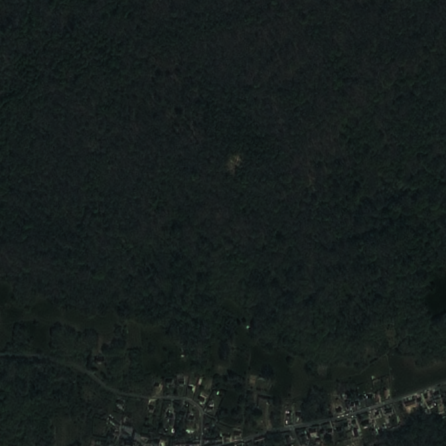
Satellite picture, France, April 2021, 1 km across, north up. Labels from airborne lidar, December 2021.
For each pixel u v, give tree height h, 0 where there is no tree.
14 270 25
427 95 24
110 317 0
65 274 20
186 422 11
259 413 19
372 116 26
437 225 26
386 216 27
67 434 0
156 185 23
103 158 24
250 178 15
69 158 17
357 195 31
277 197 19
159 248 25
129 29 17
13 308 0
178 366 0
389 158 31
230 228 30
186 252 27
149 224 26
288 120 22
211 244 27
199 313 17
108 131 20
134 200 14
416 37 19
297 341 21
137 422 0
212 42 19
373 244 37
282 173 14
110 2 22
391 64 21
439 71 24
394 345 0
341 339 16
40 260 22
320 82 21
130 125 19
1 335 0
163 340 0
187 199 28
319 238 28
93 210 11
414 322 17
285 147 19
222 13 15
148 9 19
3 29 14
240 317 0
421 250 26
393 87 29
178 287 33
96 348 19
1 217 21
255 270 26
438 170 28
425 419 21
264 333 24
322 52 20
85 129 21
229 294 16
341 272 29
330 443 22
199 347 25
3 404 30
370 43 20
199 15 17
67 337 20
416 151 21
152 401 0
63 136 10
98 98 24
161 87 17
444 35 19
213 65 20
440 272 26
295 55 23
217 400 0
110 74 21
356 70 15
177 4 13
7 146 17
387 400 0
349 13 22
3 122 20
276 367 0
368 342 11
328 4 25
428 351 12
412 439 24
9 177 14
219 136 20
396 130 27
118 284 20
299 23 15
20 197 16
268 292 32
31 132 18
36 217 20
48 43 19
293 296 30
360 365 11
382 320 20
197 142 20
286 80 17
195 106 20
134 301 25
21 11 26
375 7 20
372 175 35
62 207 21
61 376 17
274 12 20
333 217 9
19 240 19
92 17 24
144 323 18
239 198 18
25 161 16
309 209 24
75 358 18
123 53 13
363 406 0
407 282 27
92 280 19
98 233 19
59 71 21
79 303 21
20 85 12
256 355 0
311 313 31
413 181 30
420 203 32
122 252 24
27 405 29
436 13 24
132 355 7
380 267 28
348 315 22
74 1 23
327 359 12
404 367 0
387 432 6
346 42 22
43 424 6
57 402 21
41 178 18
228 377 10
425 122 27
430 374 0
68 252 17
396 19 23
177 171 17
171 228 7
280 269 24
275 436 12
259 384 0
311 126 21
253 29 19
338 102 22
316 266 20
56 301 21
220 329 16
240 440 0
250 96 22
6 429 16
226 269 22
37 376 10
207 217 24
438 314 0
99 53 24
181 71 21
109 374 12
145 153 15
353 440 0
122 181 20
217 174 8
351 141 21
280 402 18
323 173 33
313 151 23
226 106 14
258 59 9
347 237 22
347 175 29
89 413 7
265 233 27
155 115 20
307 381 0
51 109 16
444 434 23
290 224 22
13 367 27
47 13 27
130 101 19
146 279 21
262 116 21
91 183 21
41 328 0
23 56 15
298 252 18
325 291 28
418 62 15
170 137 8
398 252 32
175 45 15
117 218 18
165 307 31
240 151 13
